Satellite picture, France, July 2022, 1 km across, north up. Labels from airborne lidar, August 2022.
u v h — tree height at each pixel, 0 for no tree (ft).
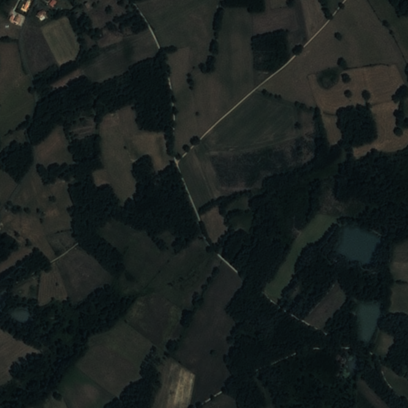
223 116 0
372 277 31
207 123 0
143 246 0
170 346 69
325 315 0
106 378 0
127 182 0
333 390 33
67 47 0
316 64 0
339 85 0
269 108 0
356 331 63
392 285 54
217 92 0
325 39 0
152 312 0
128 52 0
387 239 77
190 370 0
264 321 82
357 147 56
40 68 0
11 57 0
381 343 0
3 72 0
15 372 76
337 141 0
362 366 77
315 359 21
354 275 83
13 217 0
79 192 60
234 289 0
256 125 0
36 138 68
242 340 74
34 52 0
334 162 50
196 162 0
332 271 48
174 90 0
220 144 0
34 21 0
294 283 71
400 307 0
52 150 0
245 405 58
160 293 0
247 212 30
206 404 28
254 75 0
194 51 0
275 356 73
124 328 0
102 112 48
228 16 0
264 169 0
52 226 0
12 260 0
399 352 65
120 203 40
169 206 75
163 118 48
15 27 0
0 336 0
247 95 0
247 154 0
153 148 0
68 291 0
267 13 0
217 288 0
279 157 0
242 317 48
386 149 0
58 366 70
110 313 66
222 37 0
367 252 0
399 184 61
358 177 76
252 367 71
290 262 0
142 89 51
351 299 56
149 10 0
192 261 0
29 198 0
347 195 78
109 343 0
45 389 93
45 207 0
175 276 0
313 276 50
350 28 0
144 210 83
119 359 0
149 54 0
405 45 0
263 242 71
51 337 57
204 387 0
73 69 58
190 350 0
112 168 0
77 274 0
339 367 24
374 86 0
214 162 0
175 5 0
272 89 0
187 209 71
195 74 0
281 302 64
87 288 0
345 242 0
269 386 89
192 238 84
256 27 0
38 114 52
